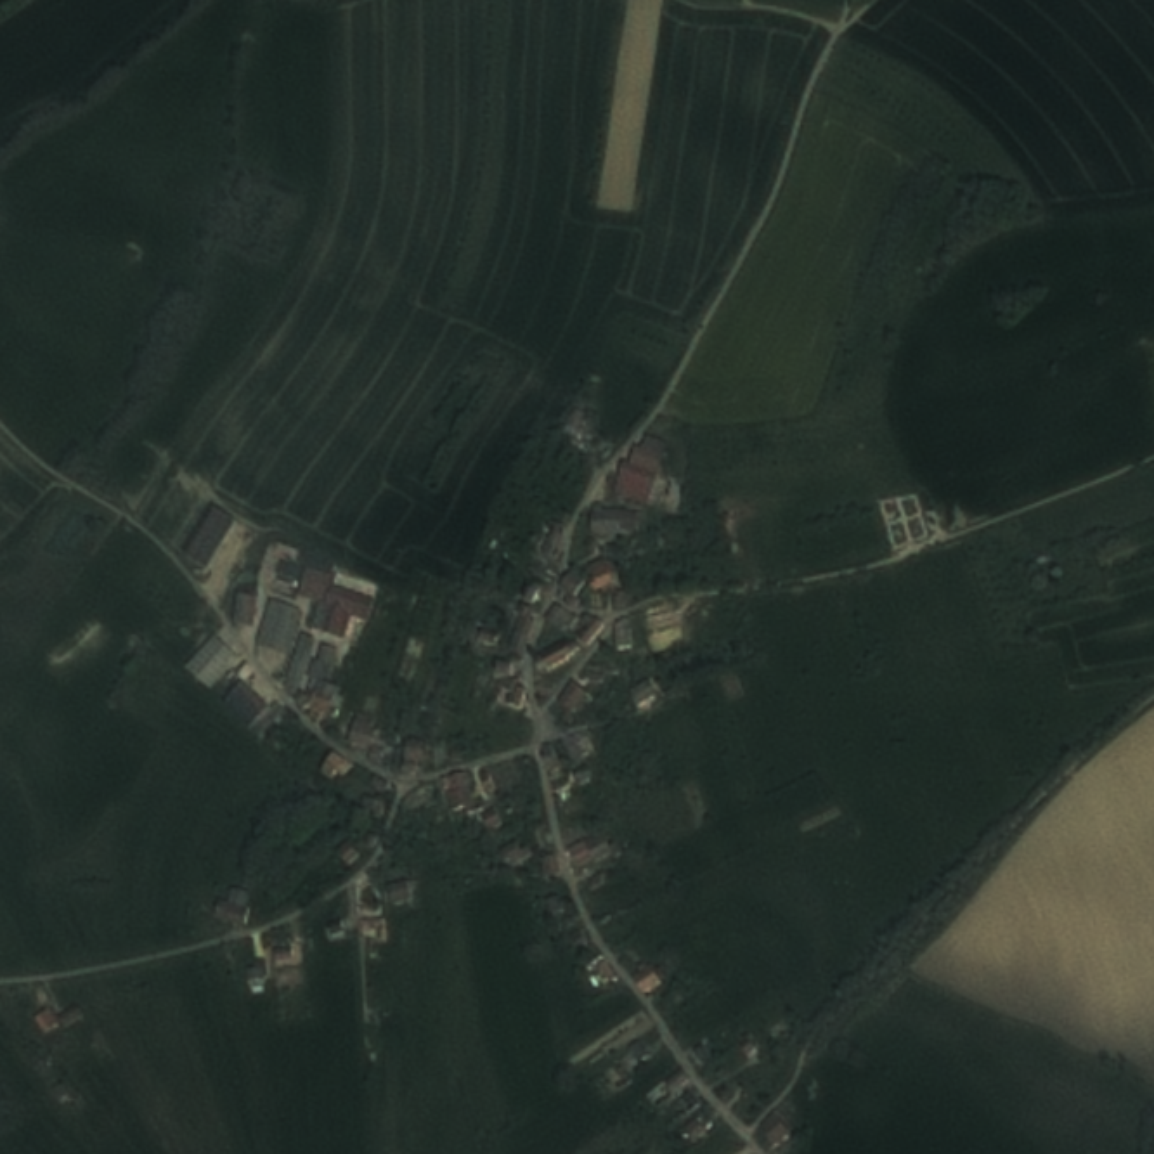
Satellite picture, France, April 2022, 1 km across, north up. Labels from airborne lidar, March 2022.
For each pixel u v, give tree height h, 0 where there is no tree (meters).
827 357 0
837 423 0
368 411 0
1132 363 0
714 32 0
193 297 23
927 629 0
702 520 6
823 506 0
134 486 0
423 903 0
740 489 0
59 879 0
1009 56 0
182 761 0
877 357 0
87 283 0
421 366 0
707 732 0
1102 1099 0
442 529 0
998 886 0
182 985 0
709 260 0
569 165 0
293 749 7
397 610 0
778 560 0
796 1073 0
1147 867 0
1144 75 0
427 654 0
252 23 0
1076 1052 0
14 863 0
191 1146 0
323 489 0
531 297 0
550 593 0
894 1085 0
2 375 0
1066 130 0
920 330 0
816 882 0
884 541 0
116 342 0
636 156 0
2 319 0
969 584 0
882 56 0
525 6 0
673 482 0
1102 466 0
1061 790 10
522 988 0
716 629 0
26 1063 0
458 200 0
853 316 0
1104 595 0
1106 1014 0
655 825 0
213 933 0
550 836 0
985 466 0
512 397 0
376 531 0
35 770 0
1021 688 0
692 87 0
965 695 0
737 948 0
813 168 0
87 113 13
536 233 0
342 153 0
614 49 0
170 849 0
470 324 0
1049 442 0
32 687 0
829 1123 0
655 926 0
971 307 0
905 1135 0
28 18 0
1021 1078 0
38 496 0
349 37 0
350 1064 0
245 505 0
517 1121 0
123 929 0
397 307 0
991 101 0
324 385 0
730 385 0
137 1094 0
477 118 0
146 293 0
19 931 0
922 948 14
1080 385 0
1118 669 0
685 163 0
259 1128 0
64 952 0
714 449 0
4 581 0
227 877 0
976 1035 0
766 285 0
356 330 0
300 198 15
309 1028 0
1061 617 0
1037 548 0
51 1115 0
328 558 0
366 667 0
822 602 0
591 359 0
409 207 0
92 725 0
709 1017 0
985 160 0
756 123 0
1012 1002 0
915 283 0
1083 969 0
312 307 0
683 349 0
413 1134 0
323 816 23
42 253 0
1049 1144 0
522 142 0
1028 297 15
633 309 0
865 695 0
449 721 0
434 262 0
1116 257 0
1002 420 0
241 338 0
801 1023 16
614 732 8
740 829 0
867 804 0
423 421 0
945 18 0
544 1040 0
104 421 0
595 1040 0
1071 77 0
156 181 0
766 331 0
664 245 0
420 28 0
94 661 0
